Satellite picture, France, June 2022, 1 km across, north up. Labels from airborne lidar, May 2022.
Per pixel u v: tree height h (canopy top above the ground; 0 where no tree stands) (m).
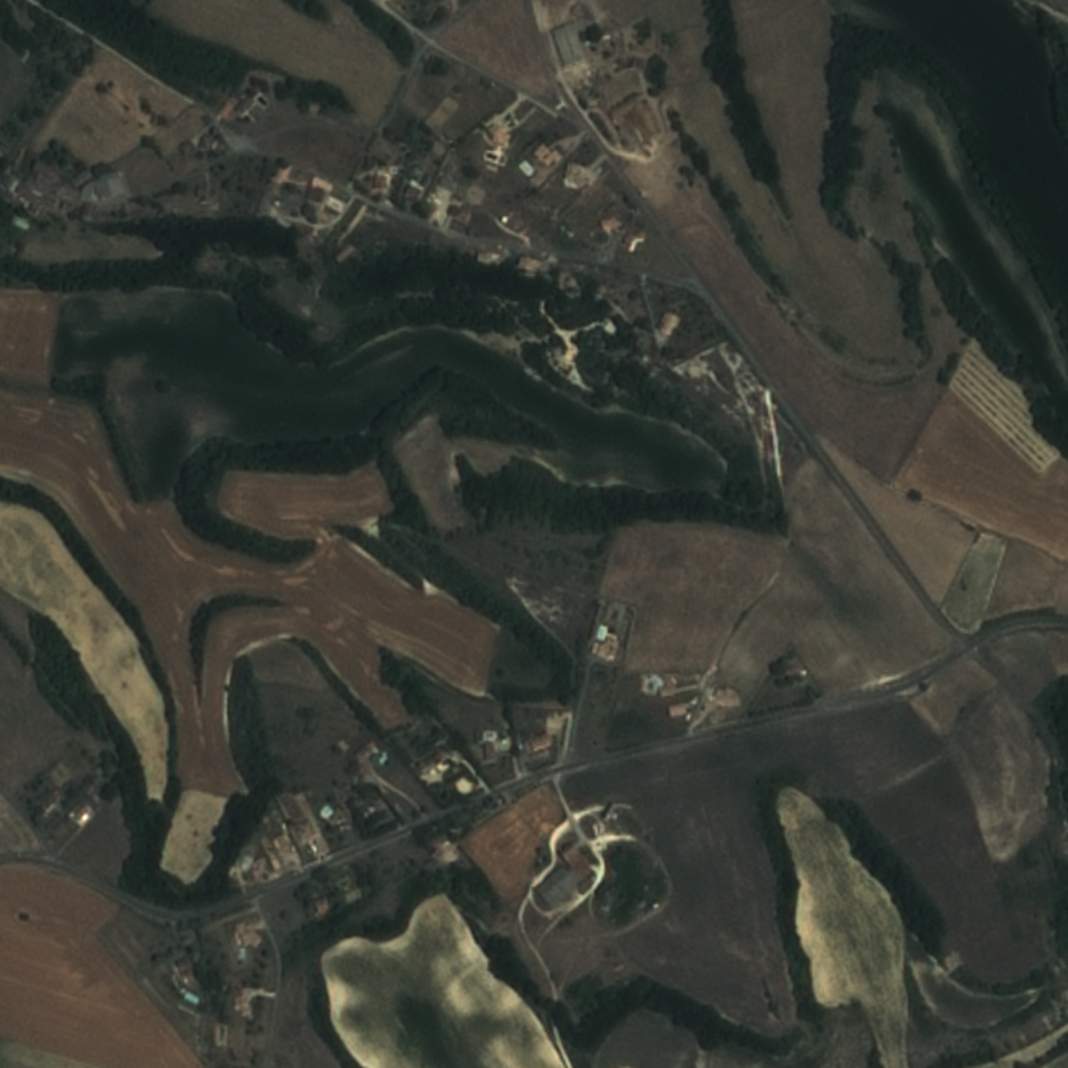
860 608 0
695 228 0
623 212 0
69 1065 0
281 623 0
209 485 9
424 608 0
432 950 0
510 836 0
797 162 0
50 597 0
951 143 0
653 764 0
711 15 13
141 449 0
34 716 0
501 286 14
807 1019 9
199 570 0
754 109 17
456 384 12
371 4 7
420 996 0
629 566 0
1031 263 11
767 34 0
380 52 0
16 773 0
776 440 0
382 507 0
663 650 0
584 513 9
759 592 0
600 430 0
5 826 0
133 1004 0
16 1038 0
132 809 11
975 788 0
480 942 11
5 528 0
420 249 9
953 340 0
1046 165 0
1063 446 12
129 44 7
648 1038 0
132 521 0
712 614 0
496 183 0
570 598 0
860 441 0
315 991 7
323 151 0
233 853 11
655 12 0
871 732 0
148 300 0
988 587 0
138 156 0
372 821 6
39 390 0
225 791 0
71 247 0
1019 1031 0
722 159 0
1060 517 0
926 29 0
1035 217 0
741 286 0
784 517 11
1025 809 0
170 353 0
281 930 0
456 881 10
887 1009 0
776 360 0
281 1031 0
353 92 0
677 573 0
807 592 0
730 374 0
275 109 0
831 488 0
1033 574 0
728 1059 0
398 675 9
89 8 14
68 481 0
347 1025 0
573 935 0
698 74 0
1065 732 10
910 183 0
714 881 0
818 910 0
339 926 8
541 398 0
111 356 0
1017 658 0
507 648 0
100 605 0
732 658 0
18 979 0
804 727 0
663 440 0
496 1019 0
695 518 9
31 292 0
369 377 0
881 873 13
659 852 0
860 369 0
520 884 0
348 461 18
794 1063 0
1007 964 0
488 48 0
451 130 0
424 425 0
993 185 14
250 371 0
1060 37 12
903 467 0
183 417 0
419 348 0
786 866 12
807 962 10
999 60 0
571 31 0
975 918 0
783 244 0
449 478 0
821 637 0
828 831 0
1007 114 0
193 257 19
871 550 0
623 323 8
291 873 0
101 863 0
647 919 0
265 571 0
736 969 0
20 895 0
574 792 0
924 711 0
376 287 19
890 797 0
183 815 0
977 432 0
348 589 0
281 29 0
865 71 8
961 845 0
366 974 0
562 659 7
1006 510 0
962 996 0
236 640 0
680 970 0
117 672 0
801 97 0
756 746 0
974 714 0
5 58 0
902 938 0
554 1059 0
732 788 0
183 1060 0
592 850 0
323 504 0
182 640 0
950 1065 11
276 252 15
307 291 0
